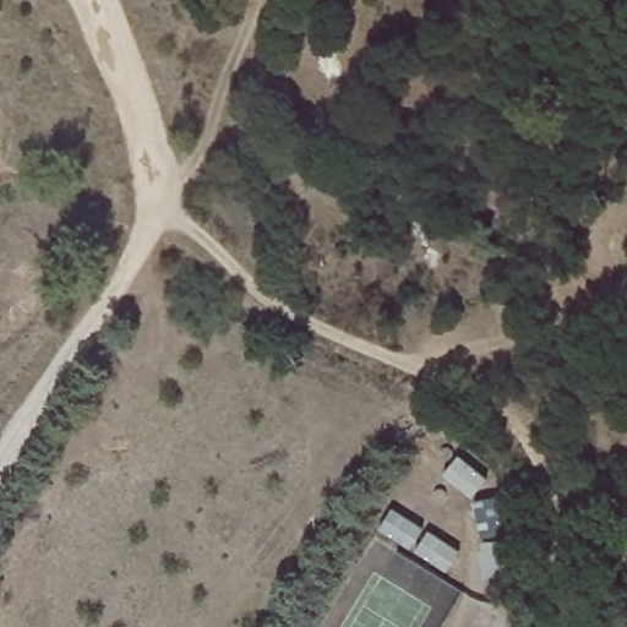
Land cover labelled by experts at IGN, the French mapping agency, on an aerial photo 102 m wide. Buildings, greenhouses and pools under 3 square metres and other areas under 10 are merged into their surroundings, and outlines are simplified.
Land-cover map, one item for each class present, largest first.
<instances>
[{"label":"deciduous trees","instance_id":"1","mask_svg":"<svg viewBox=\"0 0 627 627\"><path fill-rule=\"evenodd\" d=\"M247 10V0H176L171 5V15L181 20L186 12H191L193 24L201 32H218L223 27L240 24ZM362 47H367L370 54L362 59V76L355 78V88L367 98H377L380 103L392 105V118L399 120L394 137L387 145L367 142L362 159L355 154V149L343 145L333 154H321L316 159L311 154H304L296 162V174H291V181L274 184L267 167L279 157H294V142L306 132L309 137H316L323 135L331 125L328 115L314 113V100L333 96L338 76H326L318 69V59L336 56L340 69H345L348 61ZM228 113L233 118V125L218 132L216 142L206 152L201 169L193 179L186 181L181 203L196 223H203L208 218L213 203H247L255 220L252 255L255 282L260 291L287 301L294 309V318H304L309 323L311 316H316L355 338L377 343L394 353H414L431 333L453 331L460 323L463 311L480 309L482 304H502V328L505 336L514 340V348L497 350L490 358H475L468 353V348L456 345L446 355L426 360L411 385V411L419 424L429 426V431H434L443 441V451L456 453L478 475L497 478L495 487L475 492V497L480 500L475 519L487 524V531H482L480 539L485 544H492L497 571L487 580L485 590L490 593L487 603L507 610L505 627H627V0H265L255 29V51L250 59L240 64V69L230 78ZM294 196L309 203L311 220H316L321 228H331V242L336 245L333 255L321 257L318 252H314L311 245L304 242L309 225L299 223L296 216L284 213V203H289ZM414 223H419L426 238L434 240V247L438 250L436 267H429L411 252ZM216 44V39H196L191 47L184 49L176 44L174 34H164L157 44V51L169 59H181L184 64L203 61L211 47ZM184 108L174 115L171 125L167 127L169 147L176 154L193 152L203 132L201 105L198 100H193V86H184ZM20 179L10 186L0 184V198H39L61 213L76 201L81 191L91 186L83 179L86 164L59 149L22 152L17 167ZM83 225L78 223L69 228L59 218L49 225L47 240L37 245L39 255L34 267H39L42 272L39 299L44 306V318L47 326H54L66 336L76 326V321L100 299V291L105 289L110 274L118 267L127 235L120 228L110 225L105 233H93L88 240H78ZM154 267L159 279L164 282L169 321L186 328L189 336H193L191 345L181 355V367L193 370L201 365V353L208 348L213 336H225L233 323L247 321L250 309L242 306L245 284L240 277L228 274L216 262L193 260L184 255L179 247H162L159 262ZM137 331L130 326V321H122L113 314L91 336L113 353V358L132 348ZM316 333L301 338L299 333L287 336L279 328L265 326L262 331L242 328L245 358L255 362L269 360V375L277 380L299 372L301 358L314 343ZM115 377V367L98 370L81 362L76 355L61 367L54 389L47 397L44 411L39 414L34 429L22 443L17 460L0 473V556L7 551L15 531L27 519L39 517V495L51 482V468L64 458L69 436L98 419L105 387ZM159 397L164 404L176 407L181 402V387L176 380H164L159 387ZM360 456L370 458V465L360 468V475L353 485H345V497L323 495L321 517L314 524H309L316 534V541L311 544L301 536V544L294 551L299 566L304 568V576L294 583H279L274 578L269 605L265 610L245 615L240 627H326L321 622V612L328 610L331 593L343 580L348 561H358L362 556L365 541L380 529V524L392 514L389 502H397L392 487L409 475L414 453L380 451L377 441L367 436ZM88 478V468L73 463L66 473V485H81ZM169 500V482L157 480L152 490V505L162 507ZM76 610L78 615H86L83 627H105L100 622L103 603L81 600Z\"/></svg>","mask_w":627,"mask_h":627},{"label":"herbaceous vegetation","instance_id":"2","mask_svg":"<svg viewBox=\"0 0 627 627\"><path fill-rule=\"evenodd\" d=\"M59 149L86 164L83 179L91 186L81 191L76 201L61 213L39 198H0V436L15 416V411L27 399V394L39 382V377L44 375V370L49 367L56 350L64 345L66 336L54 326H47L44 318V306L39 299L42 272L39 267H34L39 255L37 245L47 240L49 225L59 218L69 228L78 223L83 225L78 240H88L93 233H105L110 225L120 228L127 235L135 225V181L125 132L110 88L91 56V49L83 39L81 24L69 0H0V184L10 186L20 179L17 167L22 152ZM176 0H120L125 20L140 49L145 71L149 76V86L157 98L162 122L167 127L171 125L174 115L184 108V86H193V100H198L201 105L203 132L193 152L176 154L179 174L186 181L193 179L201 169L206 152L216 142L218 132L233 125V118L228 113L230 78L240 69V64L250 59L255 51V29L265 0H247V10L240 24L223 27L218 32H201L193 24L191 12H186L181 20L171 15V5ZM164 34H174L176 44L184 49L191 47L196 39H216V44L211 47L203 61L184 64L181 59H169L157 51V44ZM171 230L162 233L157 250H152V255L145 260L127 294L113 299V314L122 321H130V326L137 331L132 348L113 358V353L91 336L81 340L76 355L81 362L98 370L115 367V377L105 387L98 419L69 436L64 458L51 468V482L39 495V517L27 519L15 531L7 551L0 556V627H83L86 615H78L76 610L81 600L103 603L100 622L105 627H240L245 615L265 610L269 605L274 578L279 583H294L304 576V568L299 566L294 551L301 544V536L311 544L316 541V534L309 524H314L321 517L323 495L345 497V485H353L360 475V468L370 465V458L360 456L367 436L377 441L380 451L414 453L409 475L392 487L397 502H389L392 514L380 524V529L399 544L397 554H402V558L411 561L414 566H421L424 571H429V576H436L458 588L460 600L448 615V627H505L507 610L487 603L490 593L485 590L487 580L497 571L492 544H485L480 539L482 531H487V524L475 519L480 500L475 497V492L495 487L497 478L478 475L456 453L443 451V441L434 431H429V426L419 424L411 411V385L426 360L446 355L456 345L468 348V353L475 358H490L497 350L514 348V340L505 336L502 328V304H482L480 309L463 311L460 323L453 331L431 333L414 353H394L377 343L355 338L316 316H311L309 323L304 318H294V309L287 301L260 291L255 282L252 255L255 220L247 203H213L208 218L203 223H196L181 203L167 220ZM162 247H179L184 255L193 260L216 262L228 274L240 277L245 284L242 306L250 309L247 321L233 323L225 336H213L208 348L201 353V365L193 370L181 367V355L191 345L193 336H189L186 328L169 321L164 282L159 279L154 267L159 262ZM265 326L279 328L287 336L299 333L301 338L316 333L314 343L301 358L299 372L277 380L269 375V360L255 362L245 358L242 328L262 331ZM164 380H176L181 387V402L176 407L164 404L159 397V387ZM73 463L88 468V478L81 485H66V473ZM157 480L169 482V500L162 507L152 505V490Z\"/></svg>","mask_w":627,"mask_h":627},{"label":"impervious surface","instance_id":"3","mask_svg":"<svg viewBox=\"0 0 627 627\"><path fill-rule=\"evenodd\" d=\"M81 24L83 39L91 49V56L110 88L125 132L135 181V225L127 235L118 267L110 274L105 289L100 291V299L76 321V326L66 336L64 345L56 350L49 367L44 370V375L39 377V382L27 394V399L15 411V416L0 436V473L17 460L22 443L34 429L39 414L44 411L47 397L54 389L61 367L76 355L81 340L91 336L113 314V299L127 294L145 260L152 255V250H157L162 233L171 230L167 220L181 203L186 181L179 174L176 154L169 147L167 127L162 122L157 98L149 86V76L145 71L140 49L125 20L120 0H69ZM399 544L380 529L365 541L362 556L358 561H348L343 580L331 593L328 610L321 612V622L326 627H448V615L460 600L458 588L436 576H429V571H424L421 566H414L411 561L402 558V554H397Z\"/></svg>","mask_w":627,"mask_h":627},{"label":"building","instance_id":"4","mask_svg":"<svg viewBox=\"0 0 627 627\"><path fill-rule=\"evenodd\" d=\"M370 54L367 47H362L348 61L345 69H340L336 56L318 59V69L326 76H338L333 96L314 100V113L328 115L331 125L323 135L316 137H309L306 132L294 142V157H279L267 167L274 184L291 181V174H296V162L304 154H311L316 159L321 154H333L343 145L355 149V154L362 159L367 142L387 145L394 137L399 120L392 118V105L380 103L377 98H367L355 88V78L362 76V59ZM284 213L296 216L299 223L309 225L304 242L311 245L314 252H318L321 257L333 255L336 245L331 242V228H321L316 220H311L309 203L294 196L289 203H284ZM411 252L429 267H436L438 250L434 247V240L426 238L419 223H414Z\"/></svg>","mask_w":627,"mask_h":627}]
</instances>
